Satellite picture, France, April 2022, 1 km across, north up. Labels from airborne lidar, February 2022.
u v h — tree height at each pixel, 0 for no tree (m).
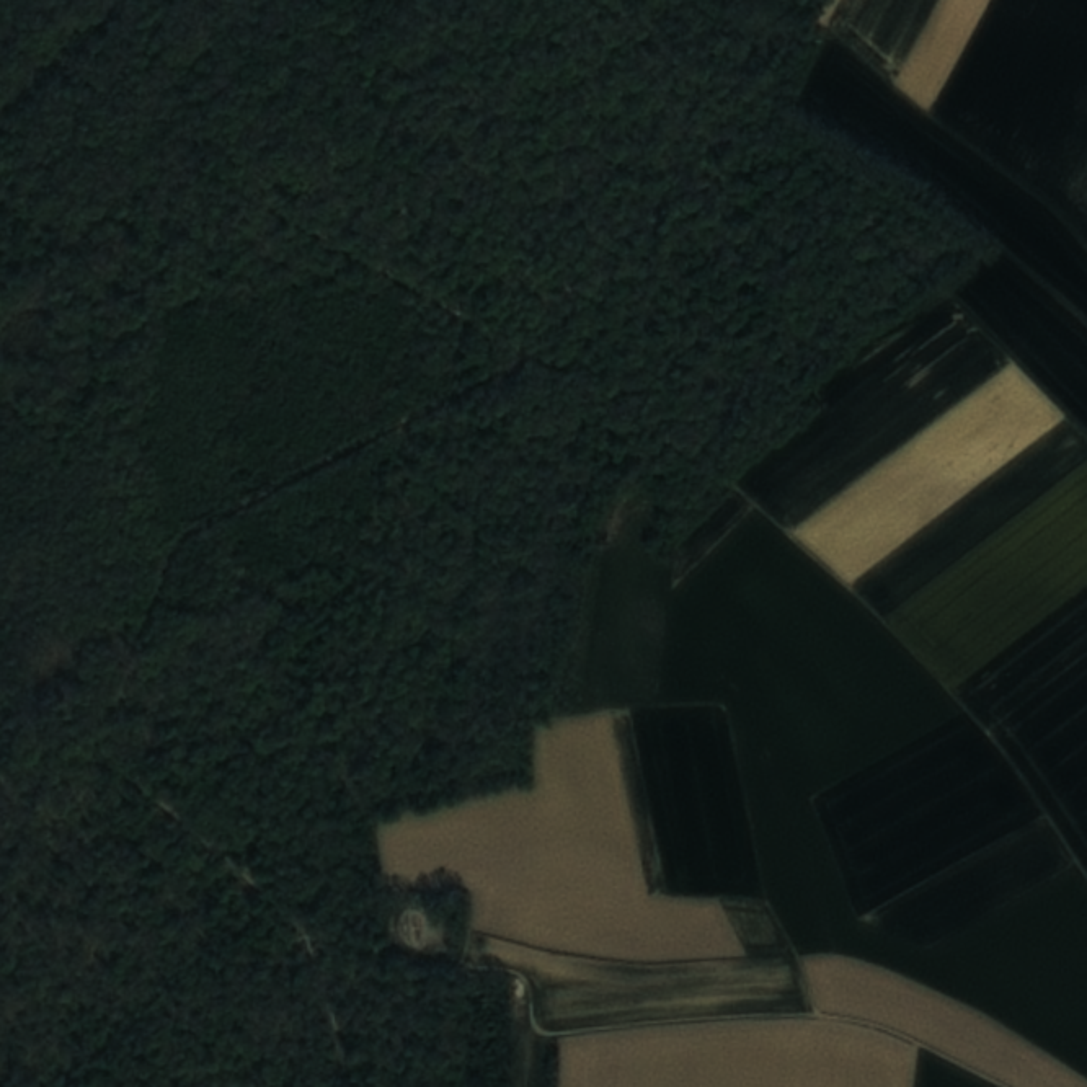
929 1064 0
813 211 32
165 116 28
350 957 29
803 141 27
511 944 0
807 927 0
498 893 0
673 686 0
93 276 30
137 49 33
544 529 36
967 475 0
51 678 0
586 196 33
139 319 32
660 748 0
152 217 29
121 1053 30
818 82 0
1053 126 0
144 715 24
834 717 0
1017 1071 0
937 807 0
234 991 25
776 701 0
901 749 0
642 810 0
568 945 0
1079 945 0
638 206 33
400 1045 34
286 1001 24
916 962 0
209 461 11
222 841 25
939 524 0
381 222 29
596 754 0
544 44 35
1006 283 0
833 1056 0
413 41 32
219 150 28
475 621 32
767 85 34
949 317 0
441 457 31
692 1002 0
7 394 17
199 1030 26
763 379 27
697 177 34
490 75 33
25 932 31
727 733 0
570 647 35
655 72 26
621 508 19
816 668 0
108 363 28
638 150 30
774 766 0
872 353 0
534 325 28
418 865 0
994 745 0
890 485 0
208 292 24
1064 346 0
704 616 0
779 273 25
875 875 0
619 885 0
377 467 9
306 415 12
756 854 0
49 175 29
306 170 33
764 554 0
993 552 0
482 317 29
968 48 0
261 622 25
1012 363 0
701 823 0
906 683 0
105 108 29
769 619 0
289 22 29
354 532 6
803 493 0
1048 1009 0
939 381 0
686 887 0
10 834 29
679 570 0
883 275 29
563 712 20
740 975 0
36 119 29
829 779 0
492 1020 36
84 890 32
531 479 27
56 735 33
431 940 0
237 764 17
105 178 28
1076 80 0
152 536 20
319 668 23
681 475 25
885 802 0
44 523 20
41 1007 30
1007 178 0
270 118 31
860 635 0
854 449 0
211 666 29
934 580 0
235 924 17
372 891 27
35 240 32
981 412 0
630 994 0
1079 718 0
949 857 0
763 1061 0
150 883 18
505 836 0
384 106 31
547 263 32
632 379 32
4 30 31
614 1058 0
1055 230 0
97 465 21
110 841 22
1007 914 0
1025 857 0
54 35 32
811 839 0
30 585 24
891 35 0
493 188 30
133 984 30
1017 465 0
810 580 0
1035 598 0
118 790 28
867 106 0
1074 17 0
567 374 31
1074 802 0
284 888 28
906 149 0
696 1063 0
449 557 31
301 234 27
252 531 8
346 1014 32
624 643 0
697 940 0
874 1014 0
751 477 0
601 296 26
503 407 31
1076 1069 0
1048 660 0
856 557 0
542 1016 0
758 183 28
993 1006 0
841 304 29
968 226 31
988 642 0
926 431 0
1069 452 0
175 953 24
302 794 29
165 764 23
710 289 27
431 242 30
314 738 30
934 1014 0
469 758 36
